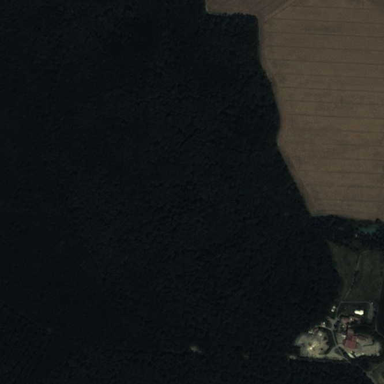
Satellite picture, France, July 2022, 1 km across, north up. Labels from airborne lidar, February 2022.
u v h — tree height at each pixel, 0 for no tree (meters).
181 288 20
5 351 18
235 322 24
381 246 13
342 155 0
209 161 29
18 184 16
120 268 21
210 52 25
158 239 19
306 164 0
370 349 0
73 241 18
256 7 0
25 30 21
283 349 22
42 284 17
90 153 22
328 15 0
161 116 27
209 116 24
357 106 0
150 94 27
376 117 0
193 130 23
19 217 20
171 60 16
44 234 15
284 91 0
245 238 21
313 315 28
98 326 18
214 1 0
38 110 23
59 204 18
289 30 0
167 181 27
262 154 27
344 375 24
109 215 14
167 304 20
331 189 0
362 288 0
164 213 12
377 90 0
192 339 21
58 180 15
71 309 17
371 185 0
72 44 22
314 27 0
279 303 21
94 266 15
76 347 16
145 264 20
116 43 25
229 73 23
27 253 16
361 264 0
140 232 23
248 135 28
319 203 0
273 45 0
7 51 25
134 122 26
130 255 23
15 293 19
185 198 8
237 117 25
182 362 25
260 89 28
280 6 0
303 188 0
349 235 21
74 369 24
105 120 29
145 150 28
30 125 16
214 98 26
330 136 0
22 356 14
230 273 19
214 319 25
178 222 23
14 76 20
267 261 27
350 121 0
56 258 17
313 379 21
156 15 23
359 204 0
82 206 15
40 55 21
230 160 24
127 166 27
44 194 17
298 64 0
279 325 21
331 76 0
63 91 21
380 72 0
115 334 16
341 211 0
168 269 22
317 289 12
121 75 24
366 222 0
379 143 0
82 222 18
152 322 23
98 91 20
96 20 25
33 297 17
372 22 0
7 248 20
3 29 22
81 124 25
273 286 28
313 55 0
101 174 19
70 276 19
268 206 25
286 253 26
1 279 19
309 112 0
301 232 24
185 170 29
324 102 0
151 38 24
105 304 18
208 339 21
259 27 18
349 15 0
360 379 21
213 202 30
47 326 15
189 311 22
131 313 17
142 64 23
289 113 0
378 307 0
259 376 13
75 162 25
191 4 21
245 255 24
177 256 27
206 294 15
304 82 0
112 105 26
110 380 23
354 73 0
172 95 25
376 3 0
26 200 20
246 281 26
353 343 0
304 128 0
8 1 23
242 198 32
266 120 24
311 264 29
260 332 28
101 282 16
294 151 0
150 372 30
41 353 17
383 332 0
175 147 24
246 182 32
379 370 0
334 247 0
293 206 27
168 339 16
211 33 27
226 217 30
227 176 30
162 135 28
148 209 25
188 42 23
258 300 28
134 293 23
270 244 16
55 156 22
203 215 25
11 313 17
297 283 25
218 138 15
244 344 20
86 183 22
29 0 22
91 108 27
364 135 0
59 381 24
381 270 0
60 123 20
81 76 22
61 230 20
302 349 0
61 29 23
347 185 0
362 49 0
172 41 13
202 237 29
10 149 17
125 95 27
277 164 27
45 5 18
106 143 26
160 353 20
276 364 23
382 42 0
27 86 20
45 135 19
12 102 20
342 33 0
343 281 0
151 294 24
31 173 17
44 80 19
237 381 23
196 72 25
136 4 26
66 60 23
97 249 16
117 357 23
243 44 30
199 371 23
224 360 24
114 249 18
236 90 24
